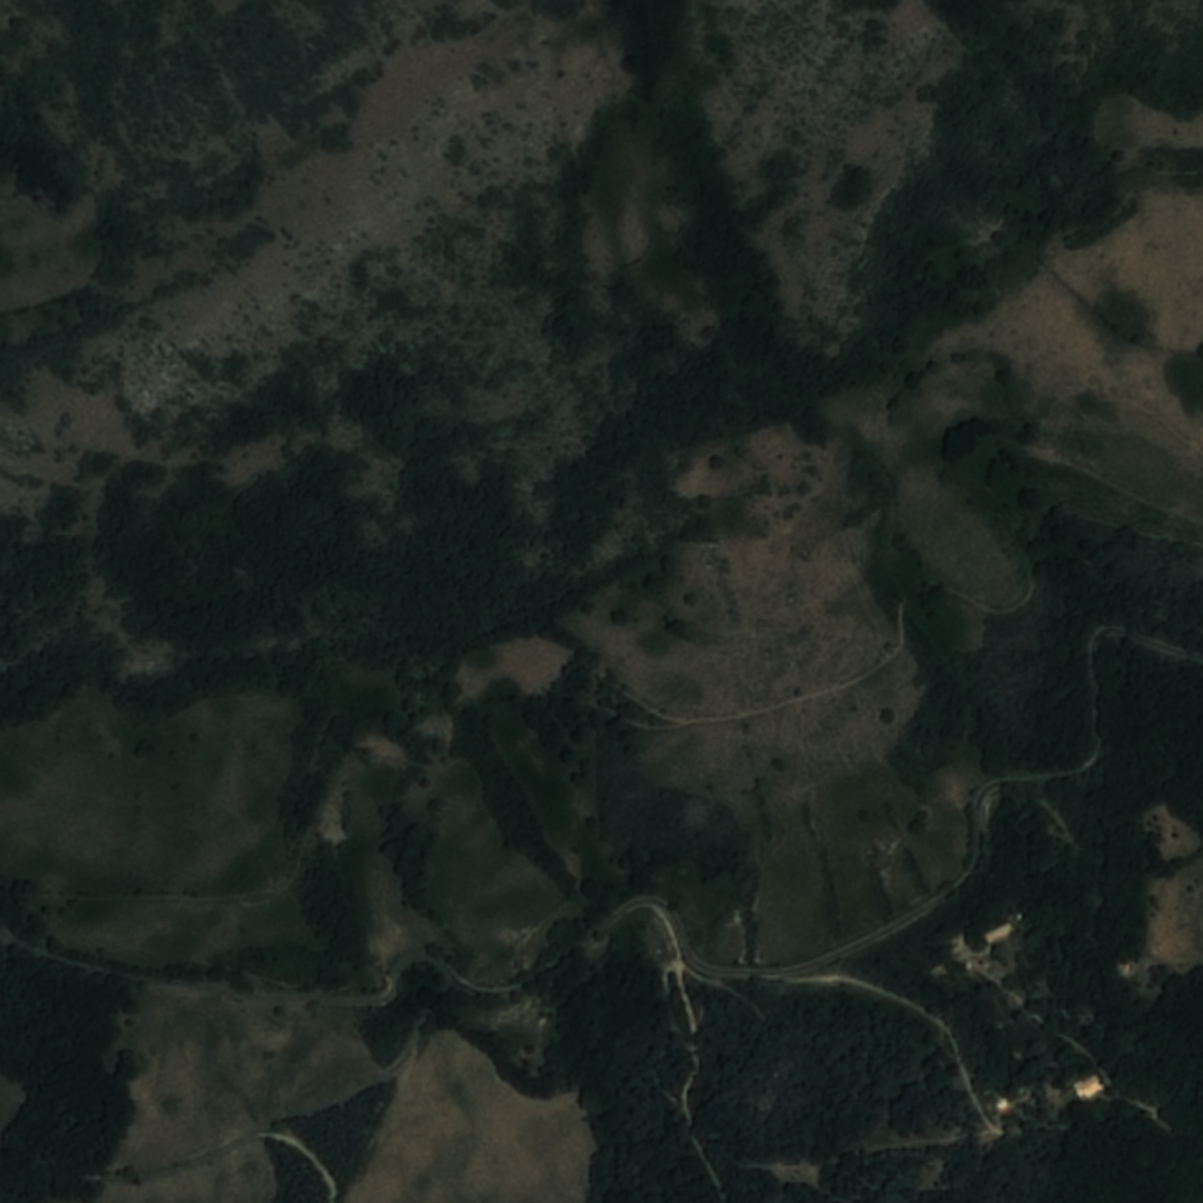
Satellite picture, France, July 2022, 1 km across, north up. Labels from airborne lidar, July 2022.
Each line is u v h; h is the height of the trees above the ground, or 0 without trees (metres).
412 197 0
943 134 6
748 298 9
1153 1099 13
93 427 0
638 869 13
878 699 0
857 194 7
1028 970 7
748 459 0
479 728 9
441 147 0
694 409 6
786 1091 7
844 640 0
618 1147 10
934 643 0
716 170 6
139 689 15
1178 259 0
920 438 0
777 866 0
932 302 10
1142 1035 13
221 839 0
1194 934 0
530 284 6
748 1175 10
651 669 0
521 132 0
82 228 0
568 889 7
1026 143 10
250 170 6
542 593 17
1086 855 7
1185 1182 18
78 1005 18
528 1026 0
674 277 0
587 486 13
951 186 6
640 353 8
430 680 12
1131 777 14
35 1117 17
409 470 10
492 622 8
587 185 7
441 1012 17
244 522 14
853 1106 13
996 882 18
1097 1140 16
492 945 0
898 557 0
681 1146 11
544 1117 0
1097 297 0
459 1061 0
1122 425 0
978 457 0
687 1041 7
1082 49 10
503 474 7
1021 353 0
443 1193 0
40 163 9
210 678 12
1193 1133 11
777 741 0
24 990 12
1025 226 13
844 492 0
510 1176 0
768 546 0
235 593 8
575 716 11
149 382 0
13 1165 15
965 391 0
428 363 8
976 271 13
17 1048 17
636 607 0
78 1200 14
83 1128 20
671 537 8
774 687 0
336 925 9
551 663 0
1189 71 5
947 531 0
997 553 0
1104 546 11
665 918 0
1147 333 0
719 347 8
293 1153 12
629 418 14
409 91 0
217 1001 0
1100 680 13
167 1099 0
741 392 11
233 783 0
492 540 15
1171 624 8
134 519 9
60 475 0
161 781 0
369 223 0
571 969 17
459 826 0
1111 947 17
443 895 0
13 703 14
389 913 0
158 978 10
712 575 0
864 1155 10
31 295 0
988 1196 8
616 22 7
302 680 18
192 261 0
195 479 8
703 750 0
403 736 8
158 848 0
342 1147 11
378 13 0
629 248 0
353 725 10
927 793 0
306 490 11
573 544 13
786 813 0
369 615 9
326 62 0
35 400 0
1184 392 0
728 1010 11
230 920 0
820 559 0
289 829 10
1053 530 13
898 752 0
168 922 0
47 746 0
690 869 0
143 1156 0
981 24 14
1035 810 8
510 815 12
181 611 12
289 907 0
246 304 0
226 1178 0
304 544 11
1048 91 14
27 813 0
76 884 0
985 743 7
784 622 0
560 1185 0
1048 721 12
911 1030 10
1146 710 19
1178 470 0
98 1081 18
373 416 14
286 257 0
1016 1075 10
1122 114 0
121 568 10
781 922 0
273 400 12
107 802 0
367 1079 0
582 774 10
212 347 0
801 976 0
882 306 11
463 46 0
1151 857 10
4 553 9
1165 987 17
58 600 7
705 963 0
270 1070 0
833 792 0
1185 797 16
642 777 0
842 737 0
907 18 0
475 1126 0
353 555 9
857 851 0
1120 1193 19
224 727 0
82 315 7
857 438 0
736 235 7
